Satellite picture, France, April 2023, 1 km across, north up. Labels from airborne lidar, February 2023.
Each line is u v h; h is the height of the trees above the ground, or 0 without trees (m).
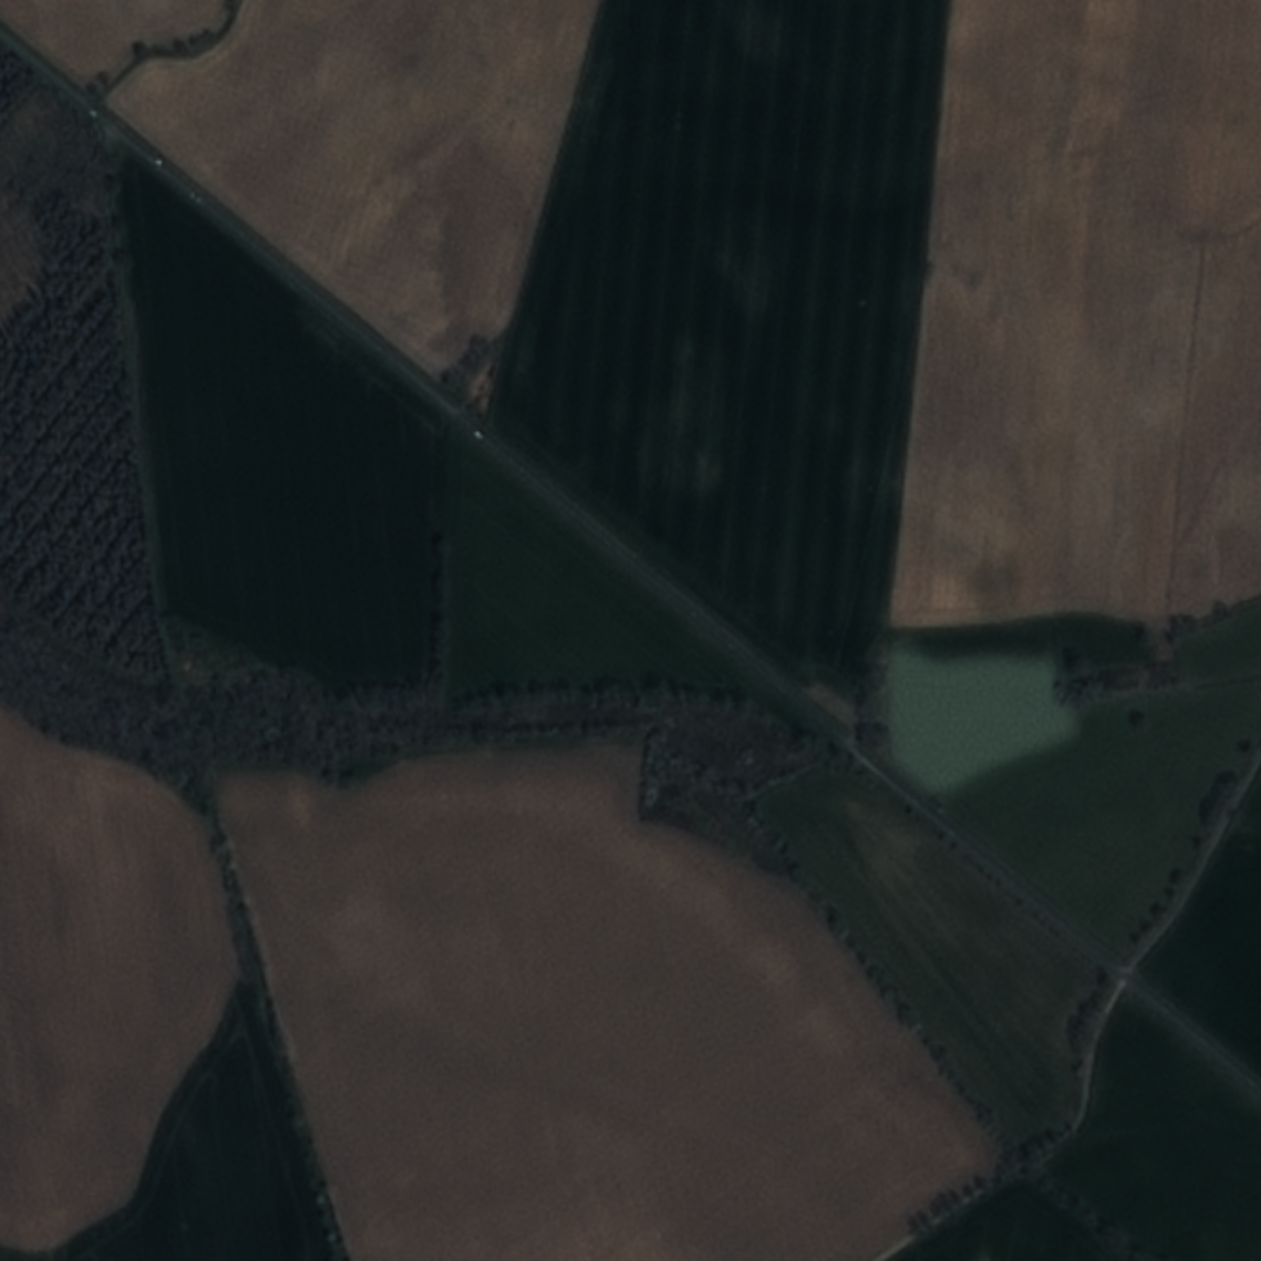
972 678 0
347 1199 0
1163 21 0
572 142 0
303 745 21
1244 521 0
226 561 0
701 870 0
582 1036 0
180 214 0
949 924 0
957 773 0
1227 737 0
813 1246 0
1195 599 0
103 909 0
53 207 13
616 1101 0
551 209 0
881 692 15
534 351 0
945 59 0
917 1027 11
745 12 0
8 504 14
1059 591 0
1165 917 12
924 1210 0
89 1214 0
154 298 0
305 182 0
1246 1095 0
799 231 0
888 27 0
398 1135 0
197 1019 0
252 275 0
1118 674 0
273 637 0
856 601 0
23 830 0
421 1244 0
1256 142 0
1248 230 0
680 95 0
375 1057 0
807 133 0
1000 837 0
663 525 0
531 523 0
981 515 0
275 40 0
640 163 0
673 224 0
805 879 11
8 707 18
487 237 0
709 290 0
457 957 0
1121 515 0
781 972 0
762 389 0
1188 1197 0
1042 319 0
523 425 0
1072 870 0
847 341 0
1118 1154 0
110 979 0
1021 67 0
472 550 0
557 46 0
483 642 0
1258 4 0
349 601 0
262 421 0
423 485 0
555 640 0
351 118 0
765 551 0
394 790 0
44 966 0
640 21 0
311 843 0
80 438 11
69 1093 0
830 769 15
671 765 8
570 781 0
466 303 0
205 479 0
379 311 0
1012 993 0
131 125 0
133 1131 0
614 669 0
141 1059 0
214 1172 0
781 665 0
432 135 0
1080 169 0
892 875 0
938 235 0
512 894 0
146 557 11
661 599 0
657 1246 0
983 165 0
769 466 0
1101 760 0
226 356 0
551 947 0
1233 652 0
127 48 0
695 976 0
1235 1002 0
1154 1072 0
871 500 0
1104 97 0
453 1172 0
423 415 0
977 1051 0
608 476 0
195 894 0
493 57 0
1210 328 0
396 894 0
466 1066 0
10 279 16
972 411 0
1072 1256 0
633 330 0
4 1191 0
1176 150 0
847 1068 0
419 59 0
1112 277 0
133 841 0
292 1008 0
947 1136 0
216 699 10
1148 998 0
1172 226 0
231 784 0
